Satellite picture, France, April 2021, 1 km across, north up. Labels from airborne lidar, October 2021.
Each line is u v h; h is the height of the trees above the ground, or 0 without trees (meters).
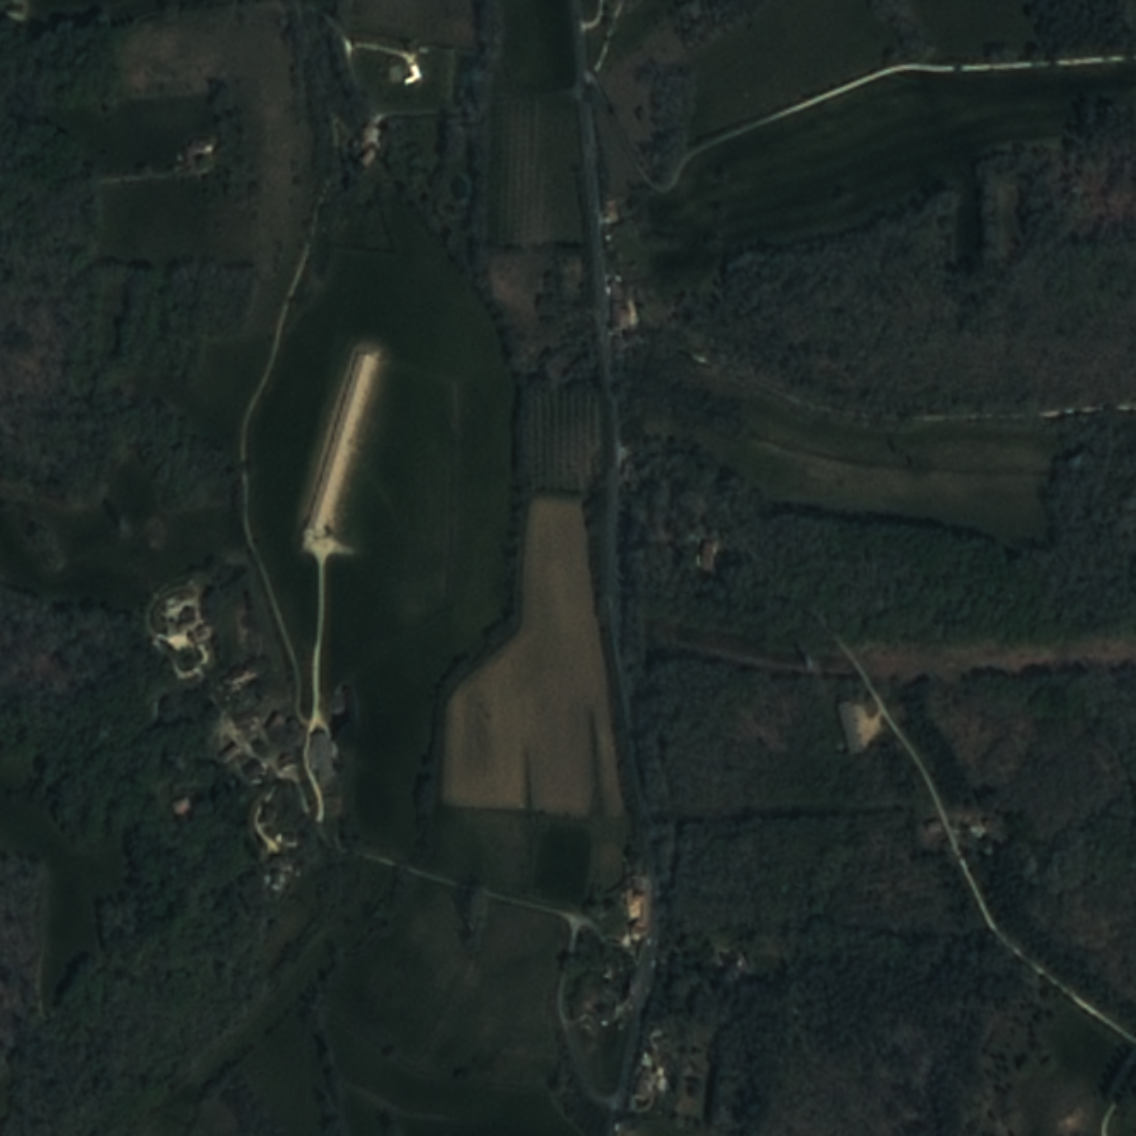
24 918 13
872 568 26
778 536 22
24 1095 19
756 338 9
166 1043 23
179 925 28
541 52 0
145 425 24
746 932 11
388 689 0
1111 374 16
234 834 17
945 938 13
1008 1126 15
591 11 0
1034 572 19
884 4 14
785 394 15
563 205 7
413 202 7
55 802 12
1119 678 17
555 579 0
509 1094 0
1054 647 14
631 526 15
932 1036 26
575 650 0
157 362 23
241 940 25
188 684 15
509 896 0
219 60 0
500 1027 0
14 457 19
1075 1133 0
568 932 0
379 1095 0
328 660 0
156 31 0
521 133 15
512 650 0
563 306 7
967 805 7
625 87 0
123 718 27
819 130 0
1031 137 0
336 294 0
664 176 18
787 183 0
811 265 19
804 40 0
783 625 23
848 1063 27
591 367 9
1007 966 17
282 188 0
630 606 17
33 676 17
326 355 0
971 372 19
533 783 0
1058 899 9
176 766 23
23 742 24
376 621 0
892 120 0
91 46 20
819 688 15
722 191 0
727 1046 25
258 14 0
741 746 18
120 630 24
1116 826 21
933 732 10
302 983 0
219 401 0
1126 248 19
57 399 13
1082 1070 0
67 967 0
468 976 0
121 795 27
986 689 16
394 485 0
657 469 6
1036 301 17
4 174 21
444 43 0
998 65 18
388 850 8
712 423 16
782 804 11
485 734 0
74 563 0
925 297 16
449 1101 0
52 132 19
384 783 0
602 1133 0
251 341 0
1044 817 15
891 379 13
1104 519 9
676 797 21
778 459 0
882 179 0
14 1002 23
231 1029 21
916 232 18
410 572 0
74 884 0
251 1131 11
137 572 0
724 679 25
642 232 15
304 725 0
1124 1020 8
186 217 0
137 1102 19
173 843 20
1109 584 18
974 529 0
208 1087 8
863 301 19
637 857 8
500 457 0
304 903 0
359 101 28
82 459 22
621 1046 0
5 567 0
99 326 20
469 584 0
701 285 0
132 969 27
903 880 11
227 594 13
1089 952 8
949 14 0
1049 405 16
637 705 13
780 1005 29
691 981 11
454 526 0
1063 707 23
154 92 0
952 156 0
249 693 15
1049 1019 9
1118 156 10
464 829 0
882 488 0
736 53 0
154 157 0
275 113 0
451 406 0
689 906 17
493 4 17
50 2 0
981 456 0
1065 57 24
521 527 8
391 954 0
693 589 24
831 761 10
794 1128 20
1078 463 18
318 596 0
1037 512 0
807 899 16
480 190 20
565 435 28
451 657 0
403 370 0
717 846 22
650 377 13
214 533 0
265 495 0
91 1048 12
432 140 0
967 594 20
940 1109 27
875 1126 16
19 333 23
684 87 19
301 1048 0
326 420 0
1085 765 14
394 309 0
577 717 0
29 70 25
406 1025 0
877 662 0
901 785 6
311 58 18
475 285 7
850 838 6
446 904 0
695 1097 12
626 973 8
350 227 0
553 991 0
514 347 17
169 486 23
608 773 0
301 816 12
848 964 25
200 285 18
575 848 0
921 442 0
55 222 20
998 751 13
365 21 0
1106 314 18
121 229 0
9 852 0
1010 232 0
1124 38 24
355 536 0
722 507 24
